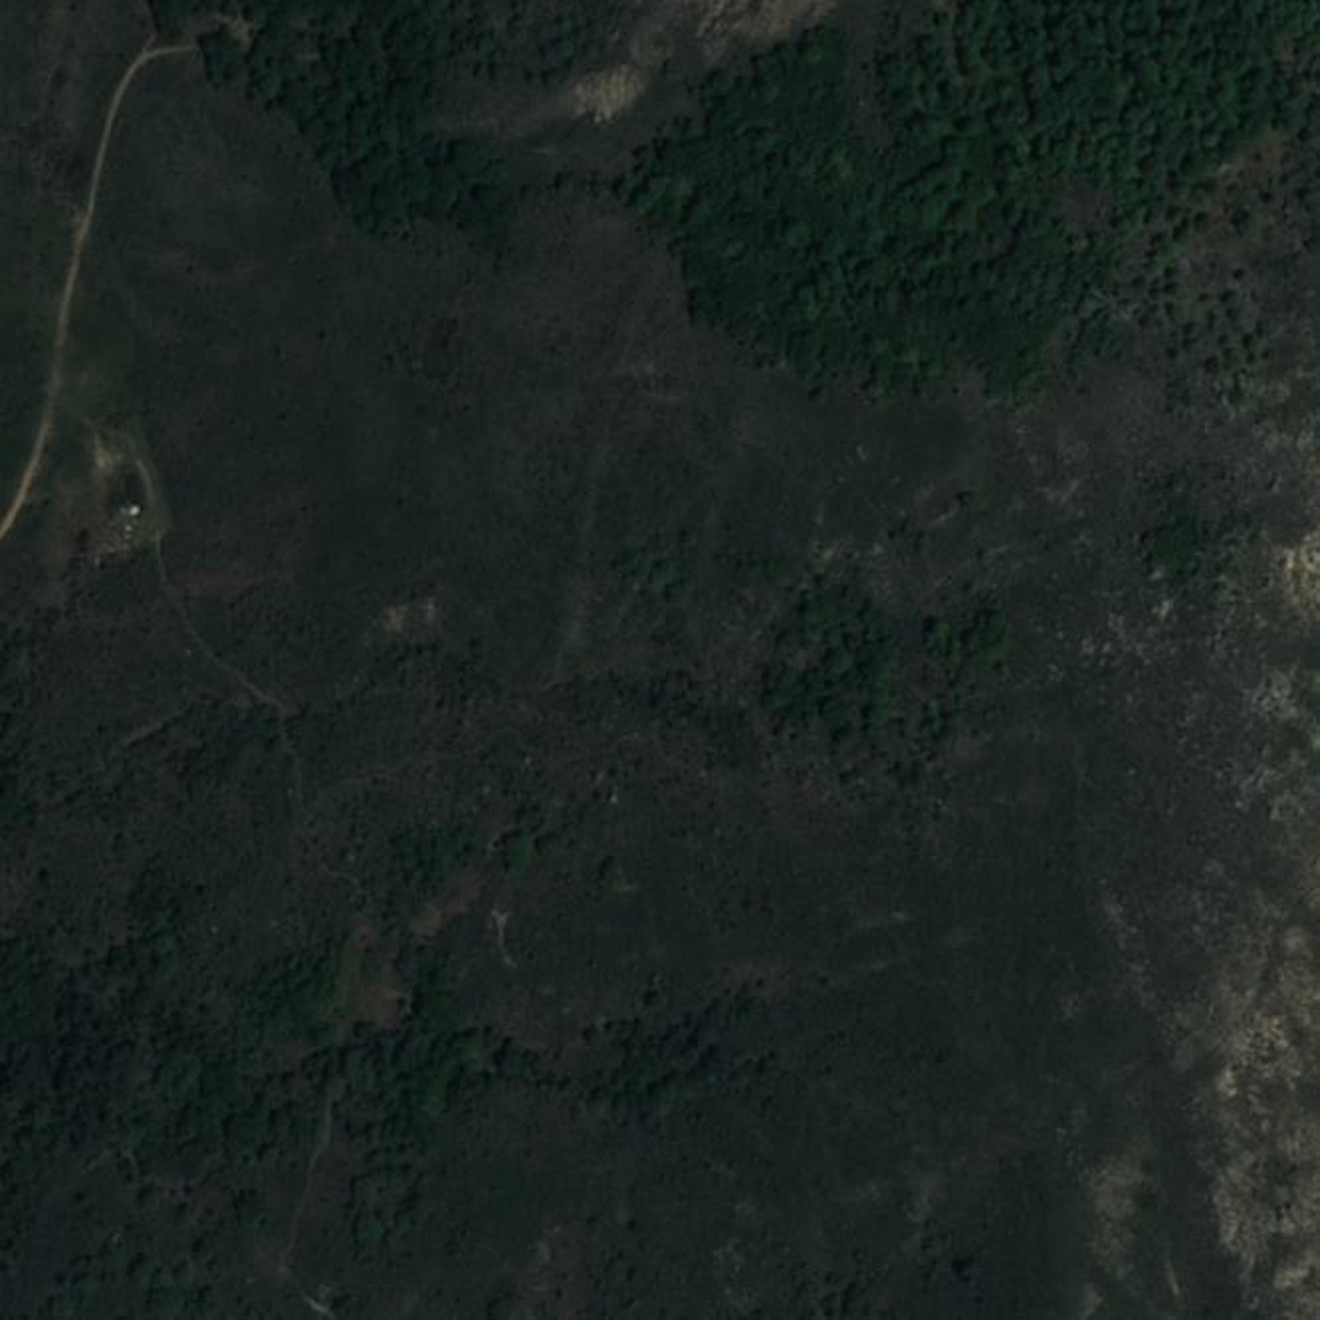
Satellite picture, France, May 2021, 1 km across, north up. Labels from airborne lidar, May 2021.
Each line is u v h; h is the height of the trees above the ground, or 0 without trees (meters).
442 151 13
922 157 9
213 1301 14
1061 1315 0
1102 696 0
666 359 0
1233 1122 0
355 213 9
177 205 0
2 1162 7
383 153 25
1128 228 11
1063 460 0
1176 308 10
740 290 8
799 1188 0
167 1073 12
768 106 8
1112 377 0
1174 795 0
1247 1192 0
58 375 0
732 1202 0
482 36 8
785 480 0
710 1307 0
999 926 0
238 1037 10
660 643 11
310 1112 10
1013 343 7
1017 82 7
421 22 12
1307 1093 0
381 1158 10
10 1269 12
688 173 10
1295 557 0
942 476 0
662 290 0
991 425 0
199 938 5
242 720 9
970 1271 20
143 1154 16
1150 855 0
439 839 11
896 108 10
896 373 6
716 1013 14
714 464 0
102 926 11
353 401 0
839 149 11
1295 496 0
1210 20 9
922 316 7
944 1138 0
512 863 17
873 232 21
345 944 9
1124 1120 0
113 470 0
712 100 8
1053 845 0
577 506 0
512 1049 13
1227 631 7
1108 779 0
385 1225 15
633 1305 9
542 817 14
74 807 15
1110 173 10
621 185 13
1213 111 19
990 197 24
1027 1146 0
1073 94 18
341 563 0
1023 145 22
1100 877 0
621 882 10
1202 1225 0
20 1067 21
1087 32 27
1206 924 0
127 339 0
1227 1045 0
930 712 13
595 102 0
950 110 7
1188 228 12
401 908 15
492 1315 10
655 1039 8
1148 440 0
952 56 17
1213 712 0
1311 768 0
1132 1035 0
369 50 16
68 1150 11
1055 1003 0
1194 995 0
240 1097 17
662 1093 19
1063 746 0
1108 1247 0
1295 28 12
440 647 10
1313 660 0
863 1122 0
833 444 0
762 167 7
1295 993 0
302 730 10
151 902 10
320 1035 17
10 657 9
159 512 0
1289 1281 0
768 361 6
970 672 9
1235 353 10
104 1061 23
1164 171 17
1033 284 9
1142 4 25
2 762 9
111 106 0
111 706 0
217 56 15
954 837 0
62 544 0
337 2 16
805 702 12
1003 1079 0
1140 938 0
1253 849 0
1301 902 0
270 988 10
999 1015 0
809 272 8
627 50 0
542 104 0
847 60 8
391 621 0
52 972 13
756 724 11
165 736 8
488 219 11
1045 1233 0
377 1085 8
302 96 9
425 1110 12
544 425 0
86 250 0
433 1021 17
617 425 0
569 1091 12
